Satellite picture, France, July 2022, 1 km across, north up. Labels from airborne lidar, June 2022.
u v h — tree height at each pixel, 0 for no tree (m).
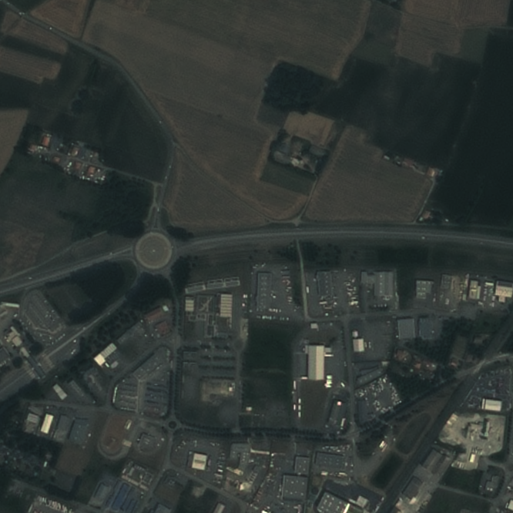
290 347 0
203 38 0
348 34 0
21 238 0
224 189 0
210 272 0
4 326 0
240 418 7
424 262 0
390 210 0
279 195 0
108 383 0
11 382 0
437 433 0
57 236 0
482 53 0
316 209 0
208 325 0
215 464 0
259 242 0
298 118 0
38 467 14
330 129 0
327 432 0
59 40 0
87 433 0
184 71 0
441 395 0
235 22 0
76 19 0
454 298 0
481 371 0
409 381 7
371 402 0
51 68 0
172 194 0
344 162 0
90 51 0
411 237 0
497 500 0
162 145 0
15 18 0
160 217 0
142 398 0
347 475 0
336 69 0
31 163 0
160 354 0
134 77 0
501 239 0
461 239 0
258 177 0
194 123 0
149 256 0
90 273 23
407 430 0
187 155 0
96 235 0
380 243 0
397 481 0
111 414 0
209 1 0
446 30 0
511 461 0
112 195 6
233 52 0
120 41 0
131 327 0
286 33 0
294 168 8
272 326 0
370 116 0
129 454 0
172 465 0
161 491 0
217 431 8
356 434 0
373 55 0
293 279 0
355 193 0
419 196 0
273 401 0
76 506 0
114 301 0
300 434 9
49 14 0
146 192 0
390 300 0
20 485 0
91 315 16
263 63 0
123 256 0
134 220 9
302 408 0
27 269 0
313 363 0
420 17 0
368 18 0
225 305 0
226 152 0
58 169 10
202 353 0
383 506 0
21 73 0
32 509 0
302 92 19
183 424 7
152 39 0
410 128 0
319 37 0
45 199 0
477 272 0
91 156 0
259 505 0
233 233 0
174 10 0
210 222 0
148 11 0
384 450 0
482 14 0
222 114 0
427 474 0
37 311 0
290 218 0
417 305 0
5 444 11
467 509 0
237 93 0
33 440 14
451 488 0
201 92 0
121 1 0
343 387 0
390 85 0
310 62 0
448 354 9
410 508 0
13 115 0
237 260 0
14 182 0
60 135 8
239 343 0
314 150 0
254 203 0
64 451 0
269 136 0
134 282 0
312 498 0
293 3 0
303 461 0
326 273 0
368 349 0
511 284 0
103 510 0
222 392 0
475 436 0
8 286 0
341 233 0
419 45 0
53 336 0
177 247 0
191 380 0
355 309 0
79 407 0
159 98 0
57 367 0
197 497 0
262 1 0
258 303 0
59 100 0
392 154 6
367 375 0
